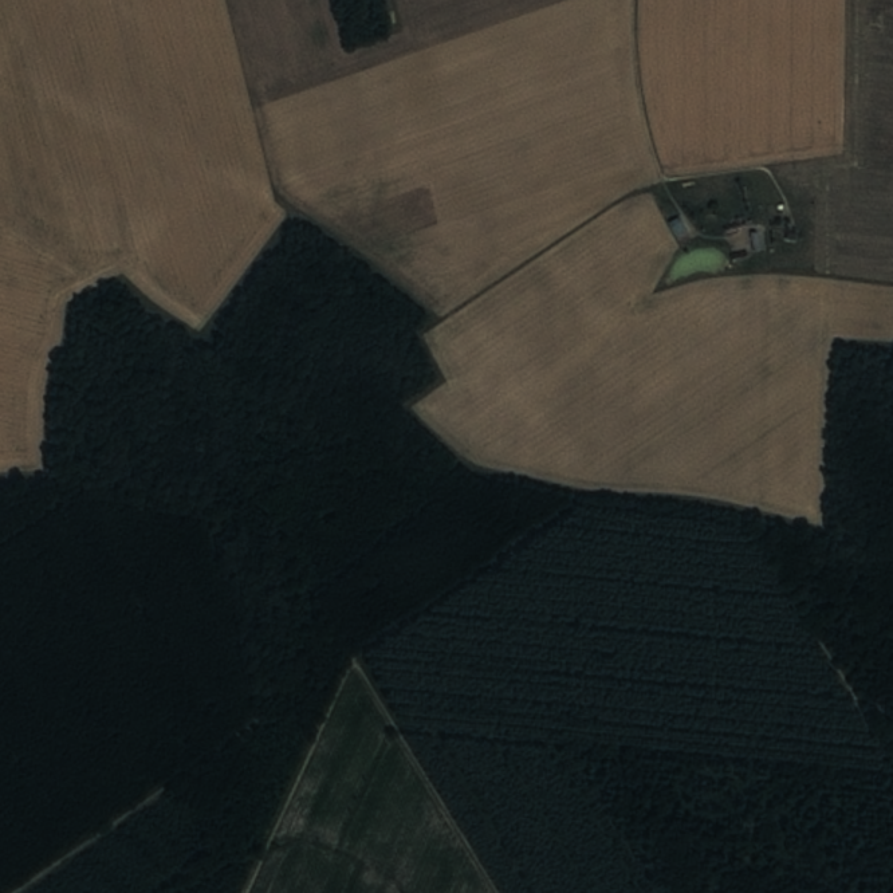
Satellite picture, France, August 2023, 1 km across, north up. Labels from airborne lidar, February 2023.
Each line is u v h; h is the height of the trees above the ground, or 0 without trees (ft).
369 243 0
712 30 0
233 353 60
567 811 53
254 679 70
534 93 0
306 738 56
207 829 49
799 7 0
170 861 35
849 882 45
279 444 78
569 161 0
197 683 68
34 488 58
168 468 73
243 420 75
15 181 0
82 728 53
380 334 61
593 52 0
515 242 0
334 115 0
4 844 60
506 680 52
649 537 64
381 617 38
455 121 0
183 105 0
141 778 45
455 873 0
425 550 77
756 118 0
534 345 0
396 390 53
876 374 65
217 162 0
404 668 60
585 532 54
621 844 67
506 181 0
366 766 0
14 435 0
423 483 39
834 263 0
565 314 0
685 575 65
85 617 62
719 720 54
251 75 0
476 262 0
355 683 0
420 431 57
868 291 0
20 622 63
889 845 67
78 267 0
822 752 51
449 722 58
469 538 72
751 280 0
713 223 0
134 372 70
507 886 53
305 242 47
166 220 0
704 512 48
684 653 60
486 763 57
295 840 0
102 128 0
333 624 70
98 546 73
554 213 0
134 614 70
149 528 70
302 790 0
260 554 60
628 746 46
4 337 0
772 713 60
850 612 47
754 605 56
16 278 0
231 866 25
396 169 0
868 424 66
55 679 59
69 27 0
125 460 63
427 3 0
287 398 78
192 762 61
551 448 0
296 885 0
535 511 60
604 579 64
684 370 0
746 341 0
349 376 63
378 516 40
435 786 58
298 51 0
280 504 56
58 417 67
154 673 58
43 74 0
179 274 0
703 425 0
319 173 0
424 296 0
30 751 56
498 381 0
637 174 0
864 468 57
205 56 0
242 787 54
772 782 78
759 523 56
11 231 0
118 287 38
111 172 0
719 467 0
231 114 0
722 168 0
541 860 49
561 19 0
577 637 58
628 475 0
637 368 0
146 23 0
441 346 0
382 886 0
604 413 0
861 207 0
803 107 0
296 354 78
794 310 0
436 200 0
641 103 0
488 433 0
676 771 55
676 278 0
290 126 0
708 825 31
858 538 56
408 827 0
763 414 0
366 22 27
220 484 77
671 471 0
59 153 0
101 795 60
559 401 0
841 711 56
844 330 0
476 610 60
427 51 0
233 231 0
